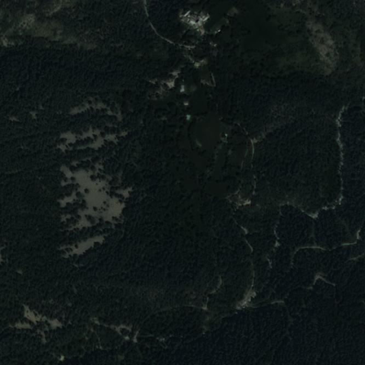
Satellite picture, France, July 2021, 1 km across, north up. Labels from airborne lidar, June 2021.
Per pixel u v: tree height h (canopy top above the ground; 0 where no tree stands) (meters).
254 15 0
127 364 7
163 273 31
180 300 25
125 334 23
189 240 11
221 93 12
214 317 11
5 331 10
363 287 28
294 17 0
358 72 10
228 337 28
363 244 12
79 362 36
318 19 10
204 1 11
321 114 15
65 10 13
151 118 21
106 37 10
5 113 18
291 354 29
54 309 10
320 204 22
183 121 8
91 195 0
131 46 9
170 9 18
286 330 16
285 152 19
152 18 18
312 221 23
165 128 16
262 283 19
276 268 14
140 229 22
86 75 31
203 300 9
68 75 31
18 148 19
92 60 19
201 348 26
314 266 19
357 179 6
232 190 9
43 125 20
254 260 17
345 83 11
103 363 18
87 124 22
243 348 34
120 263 23
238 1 15
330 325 15
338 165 12
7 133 21
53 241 25
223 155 0
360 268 15
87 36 7
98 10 28
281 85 21
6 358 26
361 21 12
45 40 9
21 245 18
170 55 15
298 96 30
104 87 25
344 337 23
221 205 23
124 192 0
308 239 24
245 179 8
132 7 9
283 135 14
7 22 12
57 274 25
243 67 11
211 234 6
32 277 18
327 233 30
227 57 10
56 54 15
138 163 21
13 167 17
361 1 8
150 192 22
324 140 18
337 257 30
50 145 6
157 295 10
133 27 26
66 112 30
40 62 23
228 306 13
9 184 24
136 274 23
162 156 21
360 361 25
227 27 17
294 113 15
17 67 27
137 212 29
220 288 7
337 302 9
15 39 15
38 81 32
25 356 11
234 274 19
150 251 15
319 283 7
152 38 12
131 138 26
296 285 18
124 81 17
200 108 0
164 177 25
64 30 9
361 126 24
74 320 20
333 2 12
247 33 11
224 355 14
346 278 27
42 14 12
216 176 0
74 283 25
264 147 9
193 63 11
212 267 12
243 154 0
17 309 19
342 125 8
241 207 11
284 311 14
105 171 16
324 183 12
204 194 17
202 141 0
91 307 23
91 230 14
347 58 6
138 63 21
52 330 21
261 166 22
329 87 29
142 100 30
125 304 28
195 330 15
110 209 0
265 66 24
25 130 16
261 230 6
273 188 13
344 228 6
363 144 11
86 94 10
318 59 7
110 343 11
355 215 19
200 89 0
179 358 17
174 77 7
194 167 14
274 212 17
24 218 12
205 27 0
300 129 18
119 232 28
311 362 21
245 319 30
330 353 25
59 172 17
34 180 18
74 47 11
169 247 20
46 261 13
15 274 23
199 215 0
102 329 24
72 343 16
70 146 17
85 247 0
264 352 16
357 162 11
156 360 12
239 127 16
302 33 8
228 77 6
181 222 6
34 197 11
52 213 7
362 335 27
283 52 8
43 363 13
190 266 13
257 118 26
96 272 22
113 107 23
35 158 20
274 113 12
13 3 8
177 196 15
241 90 29
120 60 22
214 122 0
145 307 21
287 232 11
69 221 19
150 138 21
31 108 22
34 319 0
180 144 12
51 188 8
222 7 0
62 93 25
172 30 19
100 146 0
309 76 11
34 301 9
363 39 9
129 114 29
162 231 7
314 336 27
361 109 13
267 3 7
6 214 28
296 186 22
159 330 11
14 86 23
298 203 6
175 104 15
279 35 0
